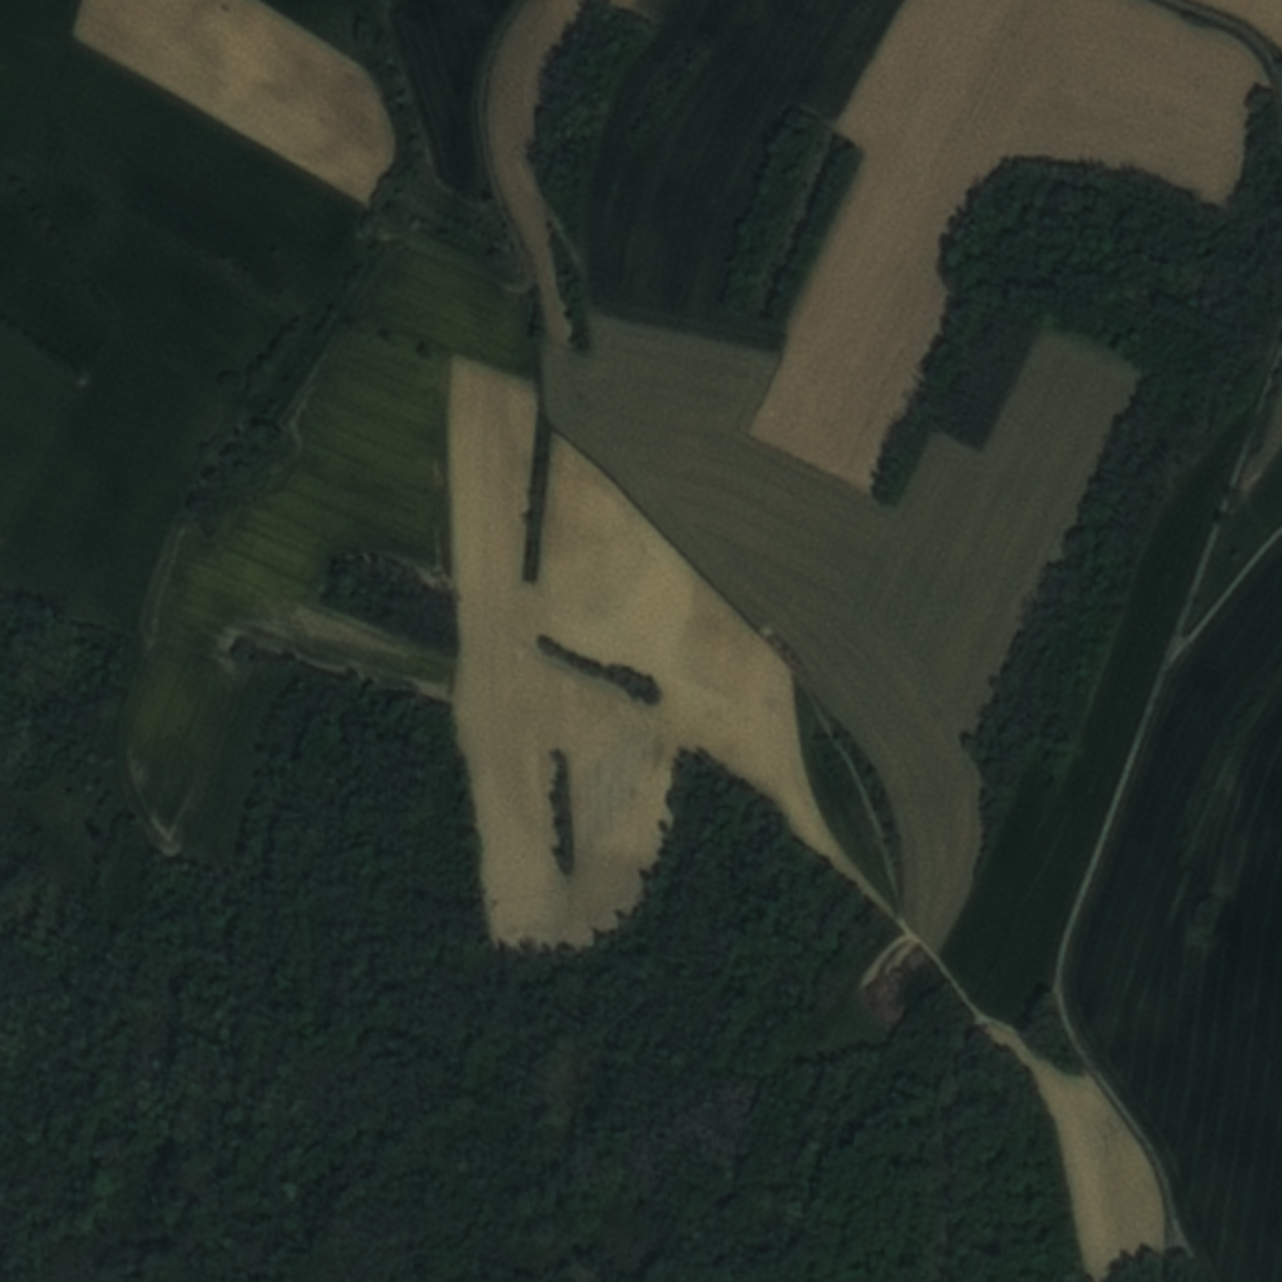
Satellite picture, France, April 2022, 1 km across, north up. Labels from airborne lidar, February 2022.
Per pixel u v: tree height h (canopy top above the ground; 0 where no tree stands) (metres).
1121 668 0
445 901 11
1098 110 0
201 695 0
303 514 0
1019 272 10
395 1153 29
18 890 29
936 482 0
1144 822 0
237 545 0
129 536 0
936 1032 8
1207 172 0
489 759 0
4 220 0
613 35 17
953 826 0
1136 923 0
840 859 0
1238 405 20
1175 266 14
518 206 0
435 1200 21
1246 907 0
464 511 0
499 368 0
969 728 0
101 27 0
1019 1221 22
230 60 0
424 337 0
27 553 0
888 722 0
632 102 0
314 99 0
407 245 0
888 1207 21
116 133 0
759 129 0
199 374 0
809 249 20
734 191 0
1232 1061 0
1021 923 0
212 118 0
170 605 0
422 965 13
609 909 0
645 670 0
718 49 0
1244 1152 0
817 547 0
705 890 21
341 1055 21
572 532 0
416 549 0
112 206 0
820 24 0
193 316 0
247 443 10
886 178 0
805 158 8
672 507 0
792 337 0
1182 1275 16
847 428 0
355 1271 20
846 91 0
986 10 0
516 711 0
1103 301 17
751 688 0
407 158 0
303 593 0
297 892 24
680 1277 31
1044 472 0
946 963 0
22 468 0
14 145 0
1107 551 19
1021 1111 26
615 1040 20
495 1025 28
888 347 0
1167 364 9
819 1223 22
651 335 0
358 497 0
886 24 0
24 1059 19
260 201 0
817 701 0
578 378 0
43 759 21
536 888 0
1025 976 0
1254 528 0
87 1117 21
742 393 0
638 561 0
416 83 0
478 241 0
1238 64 0
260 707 0
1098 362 0
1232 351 15
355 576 17
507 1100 26
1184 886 0
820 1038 0
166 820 0
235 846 0
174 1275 28
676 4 0
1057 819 0
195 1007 24
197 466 0
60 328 0
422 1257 18
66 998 15
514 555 0
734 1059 17
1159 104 0
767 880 21
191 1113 26
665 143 0
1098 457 0
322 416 0
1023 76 0
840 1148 17
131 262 0
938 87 0
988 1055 20
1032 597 0
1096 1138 0
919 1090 19
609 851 0
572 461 0
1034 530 0
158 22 0
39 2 0
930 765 0
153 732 0
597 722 0
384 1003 24
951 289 17
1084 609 9
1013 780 20
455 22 0
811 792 0
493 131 0
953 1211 19
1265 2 0
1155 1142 0
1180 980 0
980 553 0
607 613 0
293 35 0
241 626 0
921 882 0
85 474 0
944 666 0
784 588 0
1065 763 19
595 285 0
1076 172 8
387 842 19
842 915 28
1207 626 0
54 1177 9
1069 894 0
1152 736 0
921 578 0
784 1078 15
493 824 0
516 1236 19
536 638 0
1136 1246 0
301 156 0
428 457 0
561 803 14
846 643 0
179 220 0
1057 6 0
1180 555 0
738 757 0
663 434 0
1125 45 0
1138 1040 0
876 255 0
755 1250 7
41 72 0
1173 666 0
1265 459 0
